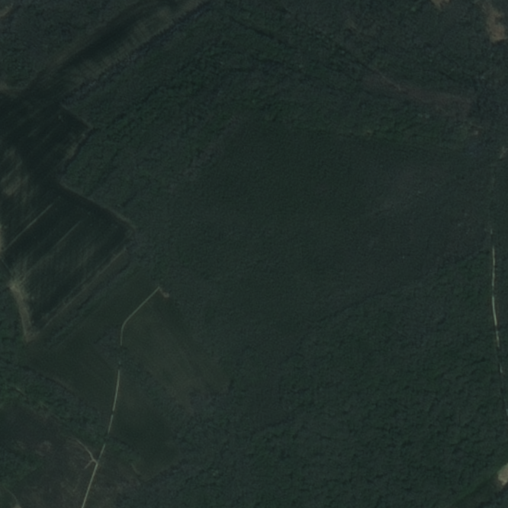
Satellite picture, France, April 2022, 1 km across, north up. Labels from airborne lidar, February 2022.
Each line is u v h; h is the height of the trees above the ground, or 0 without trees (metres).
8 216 0
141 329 0
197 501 28
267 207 13
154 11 0
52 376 0
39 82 0
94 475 0
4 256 0
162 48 15
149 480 0
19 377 27
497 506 26
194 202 16
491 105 29
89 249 0
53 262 0
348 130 26
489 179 14
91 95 25
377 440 22
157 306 0
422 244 15
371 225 15
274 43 26
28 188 0
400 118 23
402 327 13
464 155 19
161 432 0
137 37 0
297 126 20
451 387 27
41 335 0
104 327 0
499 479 0
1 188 0
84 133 0
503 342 17
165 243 22
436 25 23
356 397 23
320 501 27
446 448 29
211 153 12
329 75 27
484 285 24
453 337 27
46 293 0
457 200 18
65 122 0
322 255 15
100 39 0
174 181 25
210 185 15
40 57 29
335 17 24
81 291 0
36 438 0
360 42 26
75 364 0
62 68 0
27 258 0
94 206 0
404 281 16
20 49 22
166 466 0
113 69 10
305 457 31
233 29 26
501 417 26
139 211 23
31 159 0
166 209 21
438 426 28
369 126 27
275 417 19
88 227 0
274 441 27
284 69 28
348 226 11
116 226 0
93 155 22
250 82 27
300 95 28
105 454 0
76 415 26
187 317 20
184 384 0
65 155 0
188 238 16
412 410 24
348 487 24
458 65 22
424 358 24
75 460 0
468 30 22
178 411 19
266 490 25
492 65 23
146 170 26
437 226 18
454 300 22
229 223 17
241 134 16
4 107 0
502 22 7
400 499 30
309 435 30
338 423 28
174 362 0
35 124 0
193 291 22
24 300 0
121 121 24
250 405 19
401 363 25
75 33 23
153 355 0
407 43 22
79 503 0
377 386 17
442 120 20
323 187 13
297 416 25
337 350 18
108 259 0
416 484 23
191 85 28
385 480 24
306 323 15
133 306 0
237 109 19
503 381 22
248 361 24
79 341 0
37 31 27
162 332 0
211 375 0
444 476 22
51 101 0
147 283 0
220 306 15
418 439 25
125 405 0
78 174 19
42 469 0
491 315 21
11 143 0
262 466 25
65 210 0
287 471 24
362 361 24
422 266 16
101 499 0
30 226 0
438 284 21
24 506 0
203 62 23
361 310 25
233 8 17
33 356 0
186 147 30
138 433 0
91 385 0
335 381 24
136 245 15
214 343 19
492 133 20
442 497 27
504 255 17
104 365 0
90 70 0
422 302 23
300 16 20
